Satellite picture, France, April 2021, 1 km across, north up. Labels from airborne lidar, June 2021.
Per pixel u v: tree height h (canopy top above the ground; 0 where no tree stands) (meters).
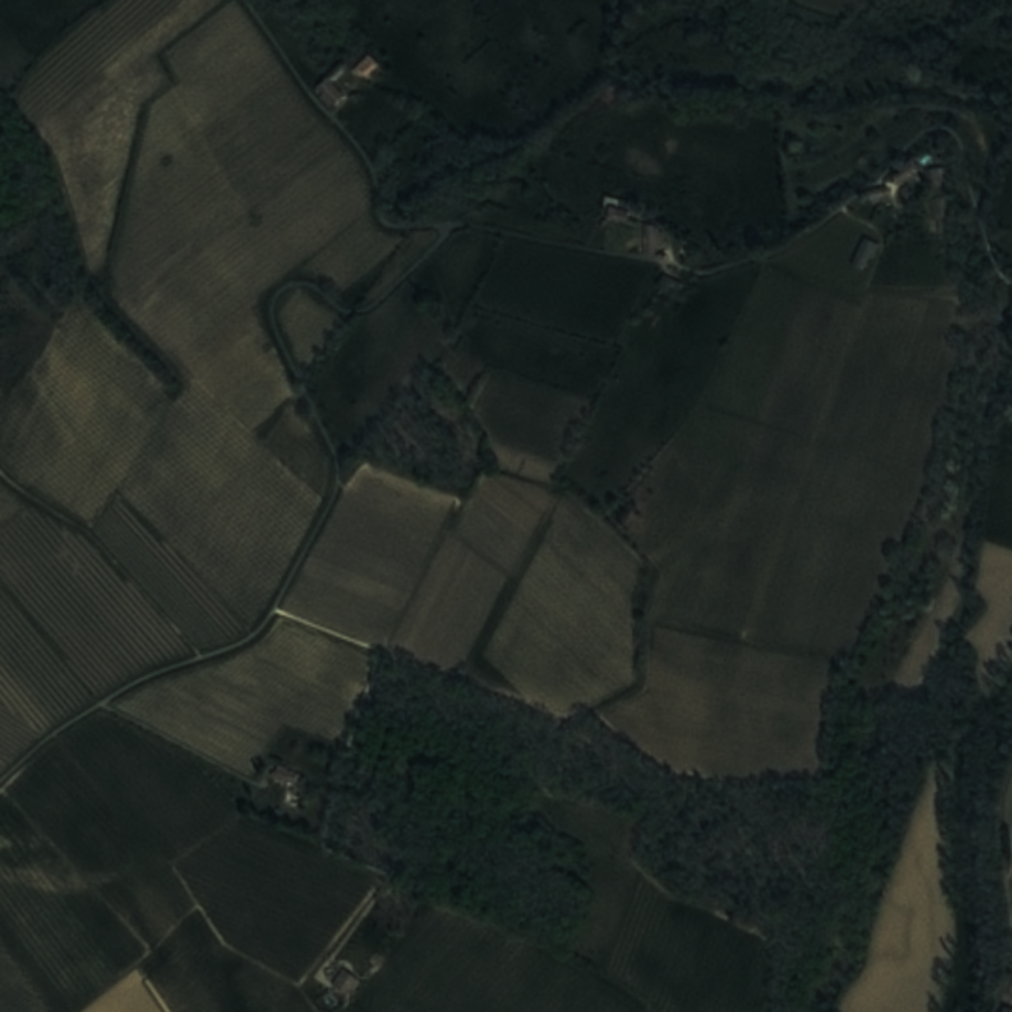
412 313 0
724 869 13
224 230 0
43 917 0
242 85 0
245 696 0
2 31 0
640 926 0
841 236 0
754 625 0
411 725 28
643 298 0
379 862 21
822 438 0
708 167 0
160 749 0
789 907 22
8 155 30
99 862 0
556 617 0
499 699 17
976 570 13
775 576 0
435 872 25
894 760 22
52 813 0
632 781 12
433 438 23
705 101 24
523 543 0
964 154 12
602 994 0
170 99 0
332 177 0
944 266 0
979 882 14
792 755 0
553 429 0
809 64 18
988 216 18
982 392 16
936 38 21
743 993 0
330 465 0
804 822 16
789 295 0
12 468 0
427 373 17
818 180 0
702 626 0
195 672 0
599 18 0
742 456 0
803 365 0
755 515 0
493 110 0
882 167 12
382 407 0
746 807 14
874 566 0
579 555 0
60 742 0
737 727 0
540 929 24
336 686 0
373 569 0
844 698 17
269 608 0
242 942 0
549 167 0
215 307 0
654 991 0
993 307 22
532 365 0
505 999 0
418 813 23
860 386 0
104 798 0
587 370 0
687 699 0
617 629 0
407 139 10
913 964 0
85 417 0
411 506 0
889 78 0
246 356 0
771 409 0
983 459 22
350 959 0
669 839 15
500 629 0
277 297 0
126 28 0
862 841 26
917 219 6
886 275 0
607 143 7
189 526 0
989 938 21
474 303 7
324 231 0
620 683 0
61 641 0
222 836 0
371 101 0
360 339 0
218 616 0
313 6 22
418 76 0
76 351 0
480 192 19
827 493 0
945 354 0
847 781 22
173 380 15
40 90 0
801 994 25
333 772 12
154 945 0
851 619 0
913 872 0
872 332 0
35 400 0
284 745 0
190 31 0
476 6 6
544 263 0
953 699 20
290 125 0
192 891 0
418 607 0
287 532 0
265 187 0
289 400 0
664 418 0
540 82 0
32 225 10
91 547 0
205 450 0
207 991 0
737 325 0
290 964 0
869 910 25
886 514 0
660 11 20
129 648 0
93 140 0
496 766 25
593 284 0
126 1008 0
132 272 0
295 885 0
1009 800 0
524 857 24
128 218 0
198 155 0
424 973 0
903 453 0
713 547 0
